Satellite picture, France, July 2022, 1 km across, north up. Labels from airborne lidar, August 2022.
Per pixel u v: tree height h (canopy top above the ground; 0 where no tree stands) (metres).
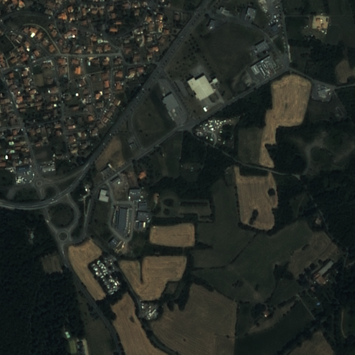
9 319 20
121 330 0
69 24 0
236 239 0
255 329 0
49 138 7
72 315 21
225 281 0
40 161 0
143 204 0
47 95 0
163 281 0
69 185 0
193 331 0
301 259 0
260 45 0
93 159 0
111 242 0
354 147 0
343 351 16
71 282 15
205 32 0
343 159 0
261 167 6
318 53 7
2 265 18
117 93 0
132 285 0
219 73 0
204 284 8
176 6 0
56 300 22
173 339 0
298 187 11
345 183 15
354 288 23
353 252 19
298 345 14
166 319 0
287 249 0
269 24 0
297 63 0
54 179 0
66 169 0
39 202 0
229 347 0
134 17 7
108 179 0
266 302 6
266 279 0
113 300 15
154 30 0
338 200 9
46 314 20
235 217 0
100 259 9
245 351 0
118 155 0
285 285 0
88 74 0
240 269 0
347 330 0
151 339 8
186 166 0
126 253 0
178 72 0
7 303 15
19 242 15
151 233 0
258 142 0
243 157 0
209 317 0
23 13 0
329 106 0
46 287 22
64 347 30
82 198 0
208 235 0
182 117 0
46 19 0
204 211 0
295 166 12
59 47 0
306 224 0
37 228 9
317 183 8
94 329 0
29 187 0
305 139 0
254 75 0
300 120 0
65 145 7
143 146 0
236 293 0
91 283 0
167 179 11
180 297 6
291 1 0
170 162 0
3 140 9
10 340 19
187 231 0
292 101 0
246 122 10
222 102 0
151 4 0
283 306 11
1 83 7
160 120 0
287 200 10
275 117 0
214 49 0
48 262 0
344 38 0
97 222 11
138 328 0
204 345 0
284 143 10
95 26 6
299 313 0
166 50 10
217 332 0
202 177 10
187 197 6
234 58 0
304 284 22
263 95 8
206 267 0
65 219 0
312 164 0
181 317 0
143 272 0
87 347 0
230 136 7
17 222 20
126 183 0
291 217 13
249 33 0
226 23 0
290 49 0
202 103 0
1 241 15
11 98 0
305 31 0
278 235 0
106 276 10
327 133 0
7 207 0
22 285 19
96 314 7
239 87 0
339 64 0
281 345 0
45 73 0
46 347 21
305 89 0
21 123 0
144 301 7
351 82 10
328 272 9
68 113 0
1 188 0
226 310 0
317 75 7
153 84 0
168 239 0
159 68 0
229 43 0
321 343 0
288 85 0
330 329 21
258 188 0
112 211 0
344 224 8
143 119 0
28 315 19
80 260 0
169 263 0
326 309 20
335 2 0
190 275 6
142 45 0
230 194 0
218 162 8
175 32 5
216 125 0
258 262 0
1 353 17
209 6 0
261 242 0
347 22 0
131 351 0
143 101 0
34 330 22
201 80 0
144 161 8
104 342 0
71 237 0
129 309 0
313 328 11
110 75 0
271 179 0
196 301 0
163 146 0
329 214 10
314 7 0
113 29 0
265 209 0
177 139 0
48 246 11
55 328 19
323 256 0
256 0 0
